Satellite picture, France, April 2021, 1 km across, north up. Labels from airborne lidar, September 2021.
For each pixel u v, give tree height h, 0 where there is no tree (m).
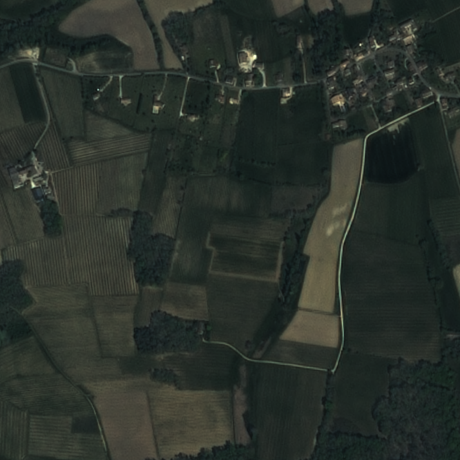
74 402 0
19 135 0
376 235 0
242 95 8
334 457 25
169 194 0
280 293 0
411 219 0
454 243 0
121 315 0
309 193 0
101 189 0
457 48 0
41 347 0
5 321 13
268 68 0
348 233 0
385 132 0
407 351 0
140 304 0
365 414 0
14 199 0
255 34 0
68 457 0
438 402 28
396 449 14
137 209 0
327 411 12
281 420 0
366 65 0
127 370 0
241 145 0
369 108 0
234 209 0
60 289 0
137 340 16
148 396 0
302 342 0
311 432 0
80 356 0
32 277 0
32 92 0
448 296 0
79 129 0
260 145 0
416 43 13
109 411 0
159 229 0
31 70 0
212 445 0
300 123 0
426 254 7
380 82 11
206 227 0
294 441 0
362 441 22
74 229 0
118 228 0
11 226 0
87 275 0
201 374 0
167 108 0
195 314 0
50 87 0
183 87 0
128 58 0
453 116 0
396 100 0
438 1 0
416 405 22
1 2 0
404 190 0
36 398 0
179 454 0
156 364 0
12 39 20
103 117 0
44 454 0
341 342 0
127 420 0
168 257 13
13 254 0
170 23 14
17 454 0
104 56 0
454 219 0
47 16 19
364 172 0
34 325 0
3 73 0
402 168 0
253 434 20
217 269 0
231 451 24
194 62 0
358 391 0
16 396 0
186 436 0
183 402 0
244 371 0
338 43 13
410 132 0
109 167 0
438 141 0
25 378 0
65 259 0
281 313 0
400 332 0
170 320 19
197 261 0
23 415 0
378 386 0
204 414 0
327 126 7
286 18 0
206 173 0
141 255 17
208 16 0
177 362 0
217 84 0
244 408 0
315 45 8
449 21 0
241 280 0
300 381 0
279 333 0
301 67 6
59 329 0
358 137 13
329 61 15
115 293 0
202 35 0
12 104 0
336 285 0
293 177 0
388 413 19
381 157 0
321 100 10
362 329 0
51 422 0
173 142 8
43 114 0
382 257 0
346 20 0
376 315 0
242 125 6
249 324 0
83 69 0
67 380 0
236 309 0
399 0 0
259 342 0
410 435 13
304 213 12
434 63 13
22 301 19
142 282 17
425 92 0
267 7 0
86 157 0
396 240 0
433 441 20
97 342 0
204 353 0
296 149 0
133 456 0
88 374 0
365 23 0
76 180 0
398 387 10
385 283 0
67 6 17
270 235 0
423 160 0
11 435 0
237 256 0
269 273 0
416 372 18
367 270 0
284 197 0
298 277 18
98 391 0
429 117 0
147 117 0
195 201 0
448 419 25
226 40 0
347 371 0
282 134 0
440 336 0
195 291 0
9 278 14
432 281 14
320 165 0
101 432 0
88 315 0
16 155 0
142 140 0
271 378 0
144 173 12
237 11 0
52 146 0
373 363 0
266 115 0
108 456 0
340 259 0
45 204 22
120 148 0
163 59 12
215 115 0
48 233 17
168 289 0
